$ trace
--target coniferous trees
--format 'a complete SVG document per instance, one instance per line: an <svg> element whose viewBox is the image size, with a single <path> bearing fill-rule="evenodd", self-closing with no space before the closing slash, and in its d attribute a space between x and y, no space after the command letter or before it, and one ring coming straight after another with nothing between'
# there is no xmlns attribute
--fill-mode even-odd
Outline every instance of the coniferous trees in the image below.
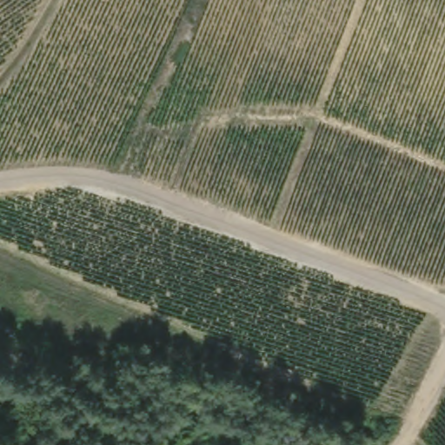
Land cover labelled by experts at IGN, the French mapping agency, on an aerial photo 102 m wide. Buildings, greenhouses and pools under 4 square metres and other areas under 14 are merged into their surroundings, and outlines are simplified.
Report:
<svg viewBox="0 0 445 445"><path fill-rule="evenodd" d="M110 358L103 363L94 362L90 356L83 355L80 351L71 351L61 365L50 365L40 358L12 360L5 355L3 349L0 349L0 445L363 445L367 436L362 435L363 422L351 414L342 414L330 419L329 415L318 414L315 408L297 407L294 402L296 393L269 393L266 384L259 377L240 379L222 370L212 369L207 362L188 362L186 358L177 358L176 362L170 362L160 353L156 353L148 337L118 339L111 346L111 351L106 351Z"/></svg>

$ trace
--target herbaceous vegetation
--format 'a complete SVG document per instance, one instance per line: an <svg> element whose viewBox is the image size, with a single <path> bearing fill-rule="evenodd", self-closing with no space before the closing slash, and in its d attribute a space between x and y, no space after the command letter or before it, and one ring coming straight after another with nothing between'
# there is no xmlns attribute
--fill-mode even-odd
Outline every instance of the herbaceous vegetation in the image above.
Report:
<svg viewBox="0 0 445 445"><path fill-rule="evenodd" d="M94 362L103 363L110 358L106 351L111 351L111 346L118 339L148 337L156 353L160 353L170 362L176 362L177 358L186 358L188 362L207 362L212 369L222 370L240 379L259 377L266 384L269 393L296 393L294 402L297 407L315 408L318 414L329 415L330 419L342 414L351 414L363 422L365 405L355 391L346 395L346 400L342 400L341 386L327 379L316 379L313 386L306 388L304 379L297 372L290 377L290 381L287 381L287 363L283 356L276 356L275 362L268 367L262 367L256 349L250 344L233 344L229 334L205 335L203 341L196 341L186 332L172 334L169 323L158 320L155 315L141 315L136 309L120 306L111 301L110 297L82 289L78 283L54 275L26 259L16 257L9 250L0 249L0 349L3 349L5 355L12 360L40 358L50 365L61 365L71 351L80 351L83 355L90 356Z"/></svg>

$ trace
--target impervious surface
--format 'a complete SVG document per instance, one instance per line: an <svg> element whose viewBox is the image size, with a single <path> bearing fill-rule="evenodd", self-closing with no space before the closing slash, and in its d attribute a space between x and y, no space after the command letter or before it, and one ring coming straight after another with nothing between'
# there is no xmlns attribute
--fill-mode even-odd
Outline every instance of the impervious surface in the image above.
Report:
<svg viewBox="0 0 445 445"><path fill-rule="evenodd" d="M287 259L294 262L297 268L318 269L332 276L337 282L362 287L382 296L395 297L403 306L435 316L440 323L440 348L429 363L421 386L415 391L414 398L402 417L402 428L389 445L414 445L421 435L422 428L435 415L438 403L445 395L445 283L424 282L417 276L407 275L398 269L386 268L362 257L351 256L349 252L323 245L318 240L306 238L299 233L287 233L282 229L271 228L257 219L242 216L240 212L229 207L214 205L209 200L188 195L179 189L163 188L162 181L151 181L151 177L125 176L87 167L0 170L0 198L14 193L21 193L26 198L35 198L37 193L43 193L47 189L76 188L116 202L134 202L149 209L160 210L162 216L170 217L181 224L228 236L233 240L240 240L257 252Z"/></svg>

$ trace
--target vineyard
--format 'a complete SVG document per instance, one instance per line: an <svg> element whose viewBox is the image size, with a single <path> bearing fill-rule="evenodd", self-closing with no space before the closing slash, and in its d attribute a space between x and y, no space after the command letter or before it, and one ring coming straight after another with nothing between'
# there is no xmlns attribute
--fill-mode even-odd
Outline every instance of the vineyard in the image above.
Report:
<svg viewBox="0 0 445 445"><path fill-rule="evenodd" d="M116 202L76 188L47 189L43 193L37 193L35 198L26 198L21 193L14 193L0 198L0 249L9 250L16 257L26 259L54 275L78 283L82 289L110 297L111 301L120 306L136 309L141 315L155 315L158 320L169 323L172 334L186 332L196 341L203 341L205 335L229 334L233 344L250 344L256 349L262 367L268 367L275 362L276 356L283 356L287 363L287 381L290 381L290 377L297 372L304 379L306 388L313 386L316 379L327 379L341 386L342 400L346 400L346 395L355 391L365 405L363 422L362 435L367 436L363 445L389 445L402 428L402 417L414 398L415 391L421 386L429 363L440 348L440 323L435 316L403 306L395 297L382 296L362 287L337 282L332 276L318 269L297 268L294 262L287 259L257 252L240 240L233 240L228 236L181 224L170 217L162 216L160 210L149 209L134 202Z"/></svg>
<svg viewBox="0 0 445 445"><path fill-rule="evenodd" d="M414 445L445 445L445 395L438 403L435 415L422 428L421 435Z"/></svg>
<svg viewBox="0 0 445 445"><path fill-rule="evenodd" d="M386 268L398 269L407 275L417 276L424 282L445 283L445 0L0 0L0 170L87 167L125 176L151 177L151 181L162 181L163 188L179 189L188 195L209 200L214 205L229 207L240 212L242 216L257 219L271 228L282 229L287 233L299 233L306 238L318 240L323 245L349 252L351 256L362 257Z"/></svg>

